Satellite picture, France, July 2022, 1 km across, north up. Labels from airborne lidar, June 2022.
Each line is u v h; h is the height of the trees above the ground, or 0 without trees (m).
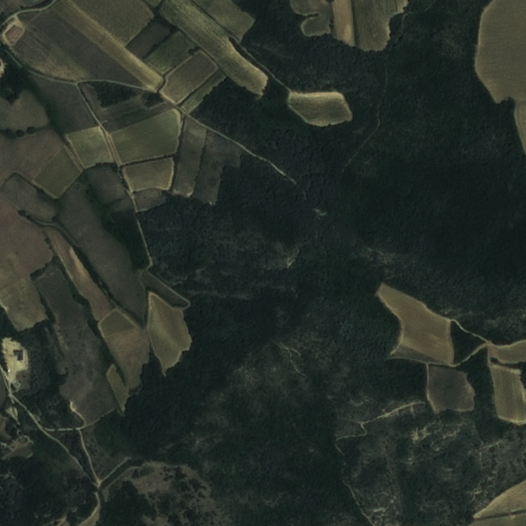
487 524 0
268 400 7
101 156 0
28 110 0
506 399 0
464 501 7
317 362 7
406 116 9
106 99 6
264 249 7
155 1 0
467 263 8
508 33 0
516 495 0
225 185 9
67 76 0
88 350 0
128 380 0
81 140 0
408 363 7
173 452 5
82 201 0
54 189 0
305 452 7
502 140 10
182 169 0
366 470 7
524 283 7
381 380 10
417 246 11
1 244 0
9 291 0
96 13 0
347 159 7
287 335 6
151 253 8
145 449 7
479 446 9
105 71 0
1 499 11
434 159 11
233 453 7
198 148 0
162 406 8
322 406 9
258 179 12
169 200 7
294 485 7
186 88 0
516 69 0
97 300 0
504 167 11
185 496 7
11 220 0
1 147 0
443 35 16
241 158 8
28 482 9
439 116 7
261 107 10
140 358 0
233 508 7
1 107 0
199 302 7
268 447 13
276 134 12
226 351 6
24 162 0
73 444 8
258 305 9
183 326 0
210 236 6
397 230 6
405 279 13
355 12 0
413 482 6
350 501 8
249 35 7
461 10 7
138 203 0
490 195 11
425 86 8
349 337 13
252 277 6
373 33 0
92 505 8
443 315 6
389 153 6
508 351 0
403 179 7
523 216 8
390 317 8
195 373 9
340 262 9
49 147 0
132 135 0
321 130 12
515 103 13
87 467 9
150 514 10
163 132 0
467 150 13
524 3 0
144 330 0
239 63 0
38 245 0
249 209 7
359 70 12
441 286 7
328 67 9
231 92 15
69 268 0
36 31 0
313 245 8
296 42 8
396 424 6
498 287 9
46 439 14
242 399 10
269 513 9
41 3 8
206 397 6
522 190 9
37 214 0
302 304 8
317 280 12
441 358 0
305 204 12
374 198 10
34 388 8
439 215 8
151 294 0
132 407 14
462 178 9
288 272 11
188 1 0
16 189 0
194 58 0
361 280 6
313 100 0
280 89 11
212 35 0
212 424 7
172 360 0
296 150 13
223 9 0
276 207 14
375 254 7
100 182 0
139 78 0
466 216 8
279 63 6
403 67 8
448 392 0
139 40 0
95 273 13
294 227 10
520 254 7
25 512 8
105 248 0
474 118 11
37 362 9
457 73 10
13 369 0
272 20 9
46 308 7
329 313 13
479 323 9
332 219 10
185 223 10
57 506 6
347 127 10
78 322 0
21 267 0
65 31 0
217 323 8
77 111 0
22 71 16
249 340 7
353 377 6
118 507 12
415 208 9
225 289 9
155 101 10
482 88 16
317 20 0
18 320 0
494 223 7
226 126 11
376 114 8
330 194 14
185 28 0
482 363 11
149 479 0
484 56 0
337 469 10
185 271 7
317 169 13
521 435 9
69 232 0
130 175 0
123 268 0
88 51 0
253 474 11
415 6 6
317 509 7
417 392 10
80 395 0
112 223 7
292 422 6
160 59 0
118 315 0
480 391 7
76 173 0
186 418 8
